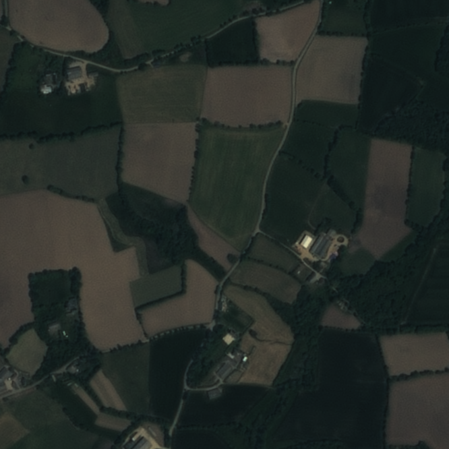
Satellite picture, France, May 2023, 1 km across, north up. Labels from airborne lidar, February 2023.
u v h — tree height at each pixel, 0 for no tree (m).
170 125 0
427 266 0
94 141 0
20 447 0
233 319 0
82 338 12
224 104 0
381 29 0
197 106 0
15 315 0
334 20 0
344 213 0
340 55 0
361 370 0
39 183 0
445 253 0
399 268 9
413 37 0
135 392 0
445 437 0
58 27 0
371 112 0
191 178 9
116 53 0
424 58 0
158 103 0
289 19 0
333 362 0
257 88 0
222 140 0
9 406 0
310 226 0
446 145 18
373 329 8
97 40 0
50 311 7
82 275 0
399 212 0
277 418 7
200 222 0
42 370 6
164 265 0
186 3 0
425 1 0
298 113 0
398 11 0
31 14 0
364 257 0
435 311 0
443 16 0
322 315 10
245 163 0
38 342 0
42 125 0
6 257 0
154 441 0
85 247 0
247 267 0
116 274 0
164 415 0
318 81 0
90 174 0
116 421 0
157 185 0
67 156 0
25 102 0
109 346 0
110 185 0
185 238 12
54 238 0
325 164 13
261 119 0
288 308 8
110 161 0
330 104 0
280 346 0
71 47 0
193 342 0
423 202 0
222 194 0
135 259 0
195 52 0
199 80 0
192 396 0
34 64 0
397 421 0
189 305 0
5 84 9
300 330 9
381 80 0
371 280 10
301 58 0
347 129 15
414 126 14
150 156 0
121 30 0
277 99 0
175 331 9
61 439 0
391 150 0
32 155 0
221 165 0
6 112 0
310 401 0
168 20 0
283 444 0
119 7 0
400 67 0
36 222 0
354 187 0
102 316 0
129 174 0
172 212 0
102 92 0
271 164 0
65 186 0
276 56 0
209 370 17
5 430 0
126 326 0
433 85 0
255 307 0
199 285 0
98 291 0
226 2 0
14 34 13
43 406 0
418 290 0
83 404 0
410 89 0
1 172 0
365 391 0
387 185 0
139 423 11
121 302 0
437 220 13
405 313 0
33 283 15
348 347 0
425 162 0
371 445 0
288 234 0
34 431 0
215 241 0
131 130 0
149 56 7
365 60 9
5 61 0
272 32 0
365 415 0
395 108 0
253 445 8
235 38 0
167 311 0
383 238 0
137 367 0
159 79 0
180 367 0
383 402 0
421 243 16
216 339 14
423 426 0
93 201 9
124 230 0
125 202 12
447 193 13
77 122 0
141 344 21
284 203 0
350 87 0
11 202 0
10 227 0
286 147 0
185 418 0
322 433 0
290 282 0
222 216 0
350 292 14
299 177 0
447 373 13
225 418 0
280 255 0
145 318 0
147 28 0
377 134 8
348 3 0
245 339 0
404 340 0
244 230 0
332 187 14
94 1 9
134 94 0
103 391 0
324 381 0
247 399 0
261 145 0
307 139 0
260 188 0
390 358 0
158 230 14
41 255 0
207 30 0
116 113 0
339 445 10
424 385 0
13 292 0
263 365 0
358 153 0
